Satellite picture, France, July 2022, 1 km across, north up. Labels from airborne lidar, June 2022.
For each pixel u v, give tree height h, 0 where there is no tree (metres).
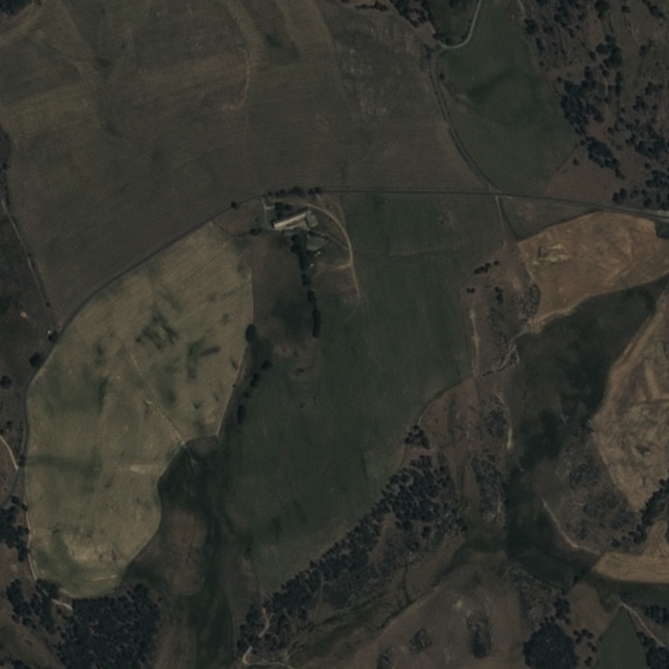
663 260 0
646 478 0
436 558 0
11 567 0
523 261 0
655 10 11
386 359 0
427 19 14
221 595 0
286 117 0
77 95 0
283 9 0
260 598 0
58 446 0
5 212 0
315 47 0
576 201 0
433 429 0
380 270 0
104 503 0
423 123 0
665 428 0
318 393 0
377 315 0
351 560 17
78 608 12
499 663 0
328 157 0
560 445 0
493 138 0
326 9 0
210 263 0
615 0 0
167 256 0
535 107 0
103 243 0
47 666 0
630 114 0
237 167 0
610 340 0
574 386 0
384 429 0
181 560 0
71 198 0
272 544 0
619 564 0
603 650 0
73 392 0
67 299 0
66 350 0
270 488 0
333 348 0
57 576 0
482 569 0
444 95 0
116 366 0
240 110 0
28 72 0
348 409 0
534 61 0
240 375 0
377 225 0
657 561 0
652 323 0
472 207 0
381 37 0
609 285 0
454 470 0
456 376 0
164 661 0
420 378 0
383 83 0
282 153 0
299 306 0
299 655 0
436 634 0
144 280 0
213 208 0
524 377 0
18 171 0
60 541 0
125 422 0
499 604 0
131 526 0
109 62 0
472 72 0
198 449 0
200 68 0
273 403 0
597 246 0
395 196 0
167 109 0
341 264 0
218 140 0
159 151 0
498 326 0
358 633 0
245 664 0
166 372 0
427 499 11
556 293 0
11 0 19
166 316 0
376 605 0
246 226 0
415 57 0
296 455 0
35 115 0
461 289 0
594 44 0
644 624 0
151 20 0
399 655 0
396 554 0
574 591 0
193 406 0
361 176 0
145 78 0
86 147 0
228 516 0
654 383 0
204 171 0
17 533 16
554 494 0
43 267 0
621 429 0
